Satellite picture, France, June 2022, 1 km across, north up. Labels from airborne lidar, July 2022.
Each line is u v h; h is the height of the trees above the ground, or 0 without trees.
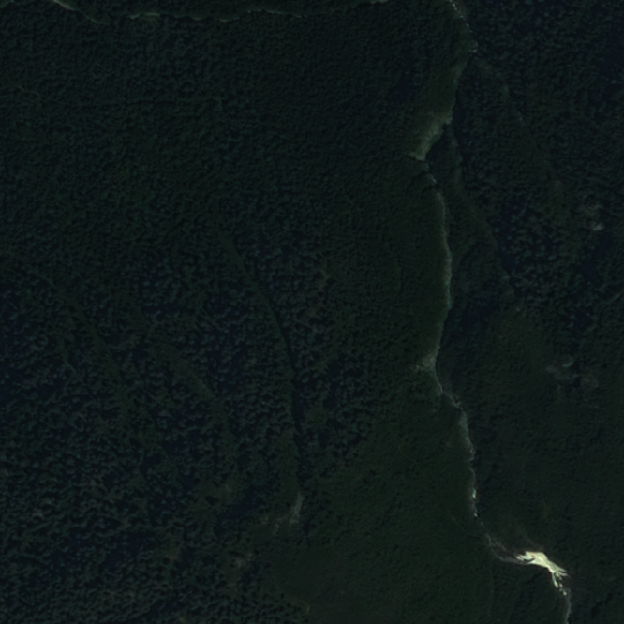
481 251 6
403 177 11
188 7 10
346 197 7
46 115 11
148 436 12
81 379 13
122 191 16
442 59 7
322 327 30
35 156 9
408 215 6
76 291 11
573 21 13
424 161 9
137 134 20
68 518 11
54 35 22
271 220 17
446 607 5
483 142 15
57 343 13
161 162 14
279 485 10
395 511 10
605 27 10
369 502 9
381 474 9
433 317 6
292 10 15
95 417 31
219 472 21
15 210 25
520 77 20
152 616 10
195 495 7
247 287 30
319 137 13
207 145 16
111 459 30
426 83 10
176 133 10
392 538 6
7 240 15
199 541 10
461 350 7
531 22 11
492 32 16
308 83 15
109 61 20
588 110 10
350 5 7
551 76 10
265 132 16
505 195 11
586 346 7
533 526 9
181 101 6
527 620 6
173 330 13
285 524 0
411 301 8
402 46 13
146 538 14
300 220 8
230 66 12
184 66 20
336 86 12
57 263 7
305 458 16
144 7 12
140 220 9
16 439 10
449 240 8
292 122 11
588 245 11
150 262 16
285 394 8
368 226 10
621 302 12
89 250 15
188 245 15
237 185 14
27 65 18
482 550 6
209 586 18
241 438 31
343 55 11
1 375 26
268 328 17
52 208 15
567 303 14
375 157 9
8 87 12
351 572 7
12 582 7
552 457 8
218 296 13
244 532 8
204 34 30
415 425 7
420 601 8
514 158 9
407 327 6
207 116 12
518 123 14
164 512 17
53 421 11
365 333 11
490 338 7
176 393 33
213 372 7
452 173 6
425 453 6
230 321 34
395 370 9
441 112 7
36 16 29
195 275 8
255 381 20
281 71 11
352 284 6
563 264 13
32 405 32
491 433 6
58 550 14
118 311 10
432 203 6
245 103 8
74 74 22
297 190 9
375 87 7
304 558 0
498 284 9
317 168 15
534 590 8
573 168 9
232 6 9
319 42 12
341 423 11
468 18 0
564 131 7
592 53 9
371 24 14
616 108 20
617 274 11
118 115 8
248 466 16
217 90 13
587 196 8
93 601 36
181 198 13
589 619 6
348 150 14
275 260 26
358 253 8
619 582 6
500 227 15
